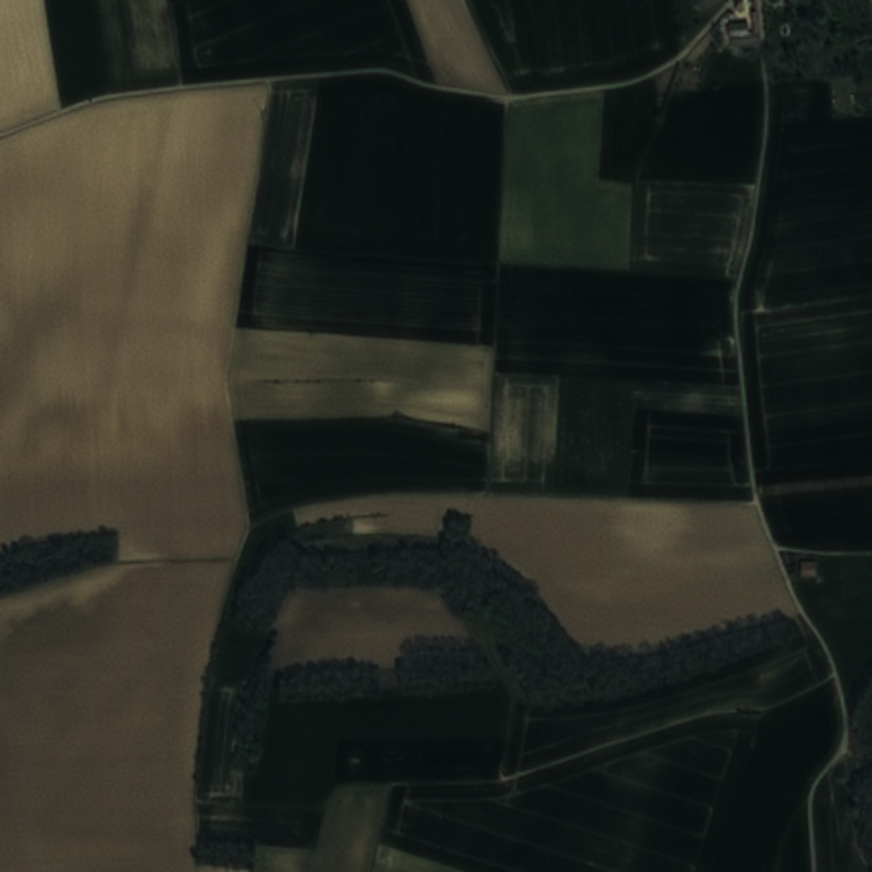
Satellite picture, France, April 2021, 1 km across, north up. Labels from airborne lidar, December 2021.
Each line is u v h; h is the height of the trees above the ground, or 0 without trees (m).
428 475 0
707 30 0
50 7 0
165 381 0
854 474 0
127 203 0
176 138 0
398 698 0
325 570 17
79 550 14
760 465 0
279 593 21
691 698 0
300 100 0
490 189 0
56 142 0
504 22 0
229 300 0
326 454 0
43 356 0
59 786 0
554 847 0
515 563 0
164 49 0
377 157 0
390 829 0
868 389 0
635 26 0
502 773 0
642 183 0
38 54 0
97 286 0
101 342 0
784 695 0
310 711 0
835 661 0
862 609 0
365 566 7
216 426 0
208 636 0
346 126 0
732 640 14
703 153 0
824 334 0
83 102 0
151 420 0
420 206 0
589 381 0
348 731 0
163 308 0
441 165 0
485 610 18
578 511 0
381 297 0
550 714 0
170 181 0
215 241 0
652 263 0
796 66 11
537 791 0
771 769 0
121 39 0
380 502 0
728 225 0
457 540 13
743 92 0
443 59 0
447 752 0
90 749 0
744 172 0
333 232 0
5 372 0
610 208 0
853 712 19
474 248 0
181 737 0
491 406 0
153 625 0
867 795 15
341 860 0
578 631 0
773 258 0
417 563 11
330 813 0
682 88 0
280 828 0
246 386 0
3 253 0
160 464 0
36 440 0
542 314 0
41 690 0
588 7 0
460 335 0
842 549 0
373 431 0
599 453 0
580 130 0
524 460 0
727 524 0
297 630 0
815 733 0
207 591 0
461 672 20
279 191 0
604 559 0
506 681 0
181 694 0
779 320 0
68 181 0
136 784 0
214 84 0
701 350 0
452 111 0
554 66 0
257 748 11
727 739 0
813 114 0
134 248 0
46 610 0
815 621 0
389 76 0
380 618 0
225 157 0
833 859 0
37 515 0
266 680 13
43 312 0
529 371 0
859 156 0
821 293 0
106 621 0
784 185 0
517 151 0
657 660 16
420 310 0
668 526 0
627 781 0
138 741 0
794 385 0
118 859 0
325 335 0
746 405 0
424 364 0
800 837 0
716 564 0
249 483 0
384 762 0
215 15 0
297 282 0
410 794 0
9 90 0
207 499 0
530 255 0
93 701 0
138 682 0
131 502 0
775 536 0
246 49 0
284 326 0
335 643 0
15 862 0
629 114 0
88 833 0
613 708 0
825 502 0
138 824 0
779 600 0
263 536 0
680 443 0
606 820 0
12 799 0
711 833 0
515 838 0
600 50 0
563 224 0
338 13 0
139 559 0
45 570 16
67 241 0
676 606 0
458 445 0
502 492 0
